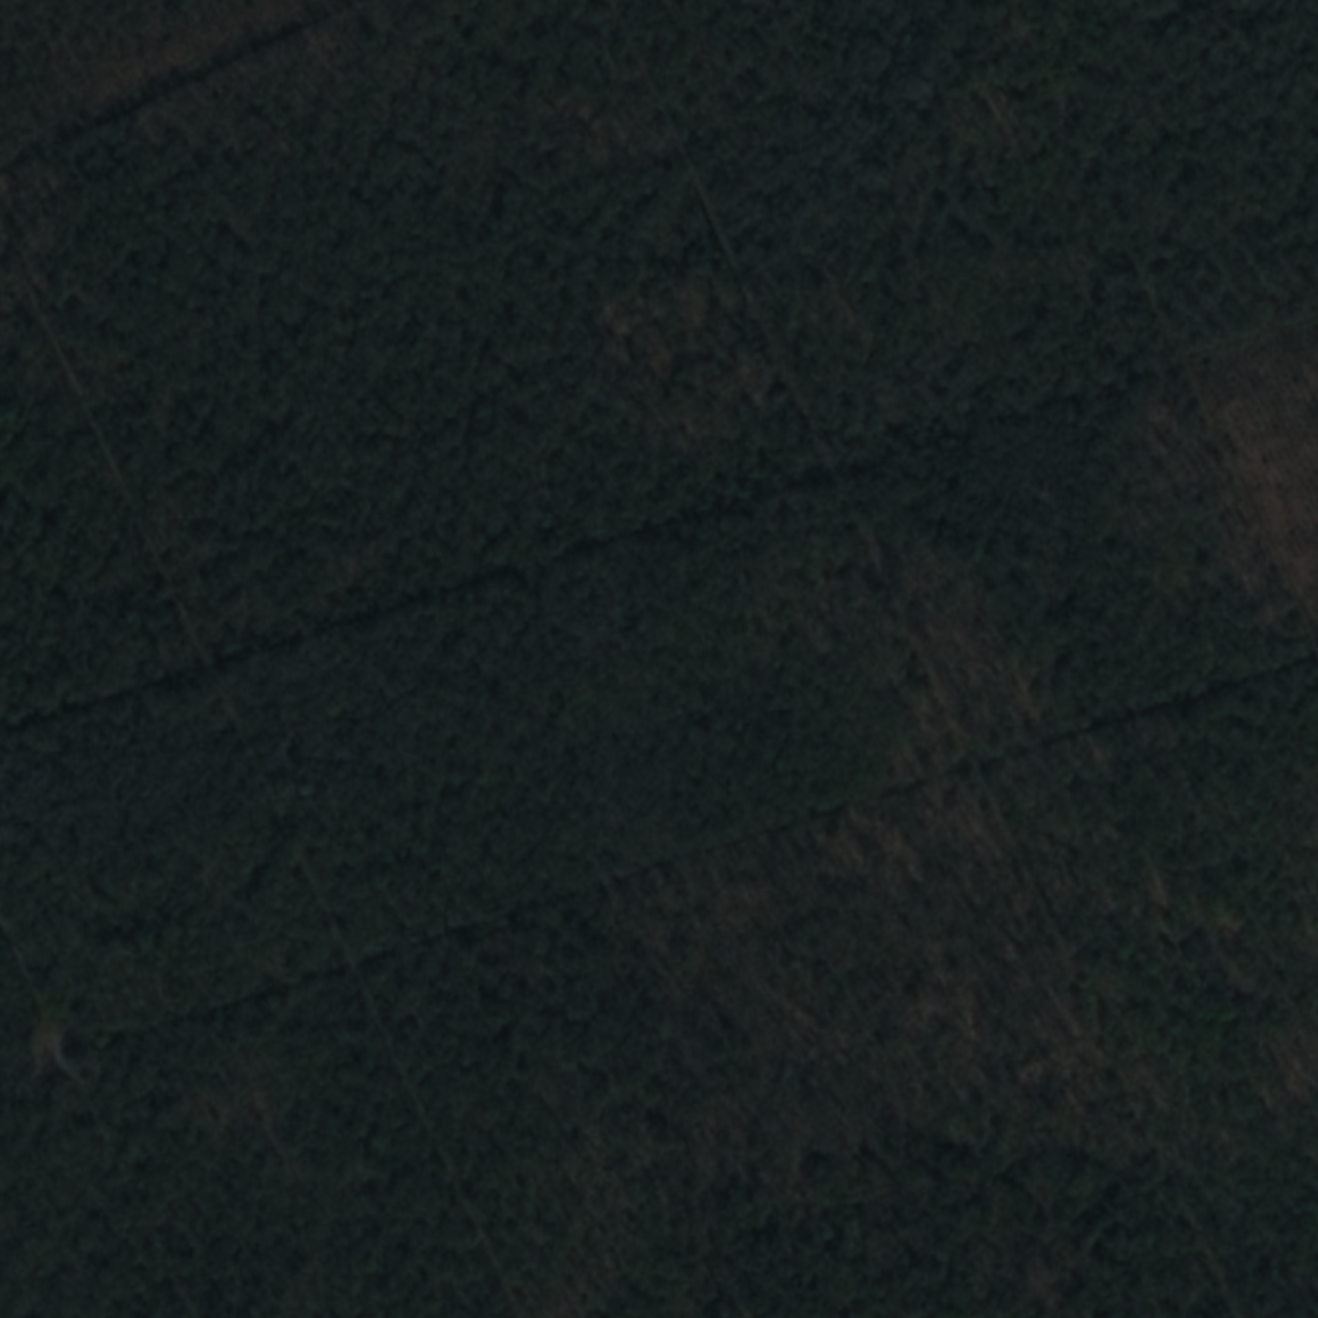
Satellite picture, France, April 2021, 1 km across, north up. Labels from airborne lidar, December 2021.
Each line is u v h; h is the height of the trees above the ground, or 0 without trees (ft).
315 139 82
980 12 85
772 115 56
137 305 83
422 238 85
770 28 75
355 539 70
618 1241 102
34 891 97
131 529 91
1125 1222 104
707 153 89
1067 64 91
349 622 23
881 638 95
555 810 91
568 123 78
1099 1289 45
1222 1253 87
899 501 89
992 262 94
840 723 85
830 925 104
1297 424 0
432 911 95
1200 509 83
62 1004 81
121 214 94
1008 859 91
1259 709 86
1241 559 88
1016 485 48
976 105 96
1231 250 44
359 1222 54
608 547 86
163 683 81
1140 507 75
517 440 94
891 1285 76
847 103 86
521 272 91
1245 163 98
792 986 98
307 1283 100
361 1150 106
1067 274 104
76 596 27
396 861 95
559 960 98
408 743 85
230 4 77
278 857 78
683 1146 81
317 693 91
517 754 94
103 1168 83
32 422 87
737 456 65
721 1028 115
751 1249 87
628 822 95
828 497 72
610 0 77
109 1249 61
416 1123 93
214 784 82
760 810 87
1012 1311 72
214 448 82
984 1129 104
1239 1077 81
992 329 96
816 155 86
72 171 67
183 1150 91
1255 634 79
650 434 92
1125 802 93
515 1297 95
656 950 106
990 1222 80
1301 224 59
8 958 77
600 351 97
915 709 89
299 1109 99
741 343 95
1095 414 80
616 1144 103
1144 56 101
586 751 80
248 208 81
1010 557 93
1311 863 89
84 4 76
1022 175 83
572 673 91
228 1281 83
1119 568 99
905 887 96
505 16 74
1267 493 0
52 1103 86
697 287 80
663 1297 97
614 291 78
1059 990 107
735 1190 91
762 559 71
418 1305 92
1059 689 66
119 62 53
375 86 95
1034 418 55
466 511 90
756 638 93
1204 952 74
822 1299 89
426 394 89
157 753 88
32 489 67
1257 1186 87
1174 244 73
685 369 65
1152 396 97
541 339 88
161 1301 95
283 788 100
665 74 73
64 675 87
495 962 86
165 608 94
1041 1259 68
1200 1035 85
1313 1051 89
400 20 83
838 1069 115
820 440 81
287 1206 82
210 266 84
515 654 65
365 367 89
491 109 60
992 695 74
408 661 94
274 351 90
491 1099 83
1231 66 97
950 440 44
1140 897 95
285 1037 101
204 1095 98
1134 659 91
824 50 61
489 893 95
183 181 30
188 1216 87
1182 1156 97
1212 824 87
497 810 94
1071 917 94
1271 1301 94
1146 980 86
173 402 86
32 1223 90
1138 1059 86
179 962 81
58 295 71
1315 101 94
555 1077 106
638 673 89
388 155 88
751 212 78
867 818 94
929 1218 86
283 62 84
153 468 80
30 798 89
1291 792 89
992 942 100
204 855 65
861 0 66
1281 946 85
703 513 52
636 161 74
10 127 81
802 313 67
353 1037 91
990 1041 88
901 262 92
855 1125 94
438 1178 89
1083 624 88
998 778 74
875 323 94
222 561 37
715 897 108
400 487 89
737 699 88
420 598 72
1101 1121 84
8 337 75
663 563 79
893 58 42
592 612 90
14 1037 101
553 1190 94
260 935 97
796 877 96
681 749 78
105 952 91
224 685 75
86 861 87
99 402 41
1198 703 78
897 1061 116
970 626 90
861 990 93
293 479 88
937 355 97
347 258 75
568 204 63
